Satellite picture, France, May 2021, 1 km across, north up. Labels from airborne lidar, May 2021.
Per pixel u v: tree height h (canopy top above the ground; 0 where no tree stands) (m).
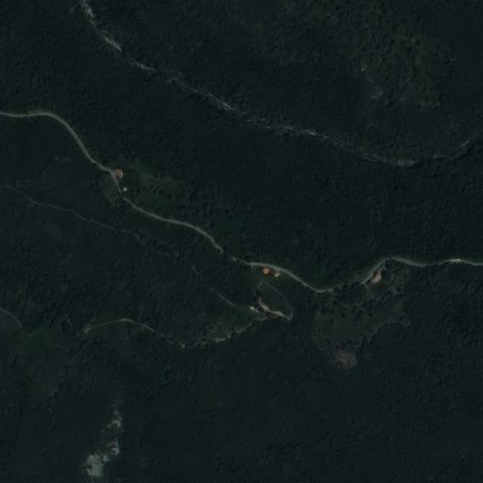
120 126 18
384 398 10
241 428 7
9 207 5
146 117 20
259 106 17
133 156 8
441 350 14
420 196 16
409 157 20
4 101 13
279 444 7
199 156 17
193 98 21
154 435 14
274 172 20
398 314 0
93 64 18
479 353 16
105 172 7
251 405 7
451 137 14
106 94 21
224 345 7
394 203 12
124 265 9
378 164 19
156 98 21
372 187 18
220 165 17
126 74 21
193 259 6
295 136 14
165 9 12
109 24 18
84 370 7
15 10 15
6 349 9
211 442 12
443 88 15
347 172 18
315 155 21
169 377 12
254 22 9
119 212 9
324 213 18
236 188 19
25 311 12
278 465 6
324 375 13
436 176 15
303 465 7
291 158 19
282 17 6
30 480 8
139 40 16
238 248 7
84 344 13
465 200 21
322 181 22
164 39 10
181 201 12
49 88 13
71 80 23
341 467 7
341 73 14
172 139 17
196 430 9
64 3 12
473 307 7
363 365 7
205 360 11
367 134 19
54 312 12
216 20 8
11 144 11
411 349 8
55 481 10
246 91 21
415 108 14
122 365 6
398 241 11
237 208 12
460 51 11
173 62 19
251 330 12
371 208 25
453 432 6
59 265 13
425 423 8
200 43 14
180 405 7
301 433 7
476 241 14
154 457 8
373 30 9
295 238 16
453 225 12
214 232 12
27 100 7
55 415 9
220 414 8
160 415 7
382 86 7
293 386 8
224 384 6
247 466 8
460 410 6
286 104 19
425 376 14
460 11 12
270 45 10
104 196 12
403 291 6
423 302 14
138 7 17
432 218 12
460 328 7
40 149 5
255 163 21
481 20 14
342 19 13
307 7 9
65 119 8
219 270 7
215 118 27
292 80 16
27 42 14
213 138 16
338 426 6
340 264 8
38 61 9
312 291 16
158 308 9
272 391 6
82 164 7
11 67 8
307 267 6
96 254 8
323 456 7
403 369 10
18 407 8
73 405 10
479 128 16
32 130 5
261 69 21
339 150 20
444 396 14
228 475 8
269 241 13
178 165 11
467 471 8
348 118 13
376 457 5
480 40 15
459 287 15
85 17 18
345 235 10
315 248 16
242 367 9
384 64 12
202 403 6
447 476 14
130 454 6
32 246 7
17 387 7
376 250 6
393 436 9
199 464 6
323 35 12
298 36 15
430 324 11
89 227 8
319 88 14
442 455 6
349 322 0
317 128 16
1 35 9
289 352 5
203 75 19
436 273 21
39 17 19
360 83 11
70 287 12
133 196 16
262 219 17
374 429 13
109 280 10
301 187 19
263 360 6
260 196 17
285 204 23
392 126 19
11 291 8
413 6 16
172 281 9
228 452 6
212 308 13
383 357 7
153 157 14
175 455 7
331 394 7
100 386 6
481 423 9
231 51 7
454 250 20
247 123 21
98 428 6
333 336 0
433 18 10
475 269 15
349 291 14
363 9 16
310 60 17
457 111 17
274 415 7
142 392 7
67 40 17
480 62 14
